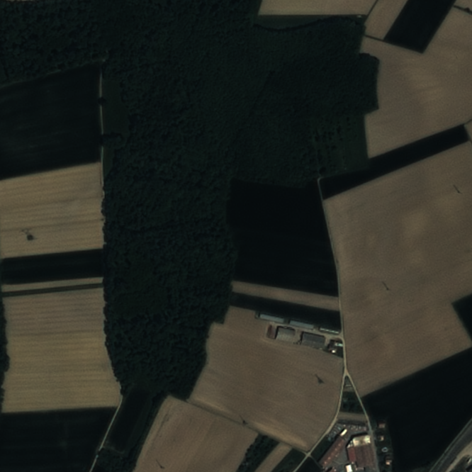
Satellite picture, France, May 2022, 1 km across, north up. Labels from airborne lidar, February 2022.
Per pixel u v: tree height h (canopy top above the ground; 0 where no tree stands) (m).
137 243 19
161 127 23
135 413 0
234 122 19
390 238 0
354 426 0
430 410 0
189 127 22
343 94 21
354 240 0
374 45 0
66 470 0
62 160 0
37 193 0
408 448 0
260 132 24
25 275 0
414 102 0
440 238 0
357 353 0
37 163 0
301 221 0
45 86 0
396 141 0
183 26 20
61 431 0
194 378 12
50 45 10
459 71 0
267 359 0
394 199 0
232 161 22
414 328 0
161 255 28
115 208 17
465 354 0
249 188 0
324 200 0
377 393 0
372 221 0
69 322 0
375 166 0
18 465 0
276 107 22
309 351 0
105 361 0
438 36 0
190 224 18
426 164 0
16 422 0
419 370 0
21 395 0
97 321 0
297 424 0
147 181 27
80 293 0
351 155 0
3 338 21
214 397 0
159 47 19
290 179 16
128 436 0
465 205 0
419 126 0
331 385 0
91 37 24
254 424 0
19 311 0
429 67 0
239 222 0
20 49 20
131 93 21
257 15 0
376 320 0
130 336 19
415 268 0
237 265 0
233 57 21
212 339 0
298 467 0
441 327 0
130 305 7
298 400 0
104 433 0
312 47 20
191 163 28
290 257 0
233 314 0
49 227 0
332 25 21
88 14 20
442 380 0
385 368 0
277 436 0
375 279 0
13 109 0
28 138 0
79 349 0
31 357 0
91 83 0
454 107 0
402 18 0
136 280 10
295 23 0
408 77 0
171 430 0
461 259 0
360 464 0
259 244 0
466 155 0
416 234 0
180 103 9
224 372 0
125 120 0
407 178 0
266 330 0
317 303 0
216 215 22
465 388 0
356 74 23
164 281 14
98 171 0
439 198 0
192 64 21
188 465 0
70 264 0
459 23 0
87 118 0
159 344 21
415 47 0
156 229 22
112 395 0
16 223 0
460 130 0
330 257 0
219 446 0
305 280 0
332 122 8
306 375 0
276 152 21
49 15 28
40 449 0
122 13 24
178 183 14
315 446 0
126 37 17
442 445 0
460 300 0
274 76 22
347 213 0
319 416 0
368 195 0
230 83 21
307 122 15
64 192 0
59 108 0
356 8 0
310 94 16
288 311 0
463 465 0
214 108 19
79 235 0
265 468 0
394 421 0
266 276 0
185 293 26
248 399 0
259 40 21
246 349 0
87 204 0
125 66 18
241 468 8
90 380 0
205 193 22
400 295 0
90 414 0
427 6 0
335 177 0
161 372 21
